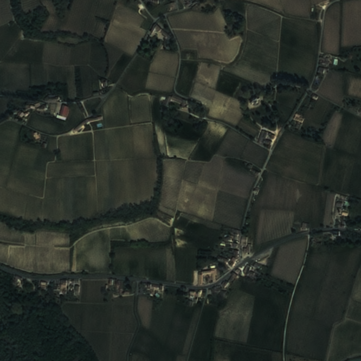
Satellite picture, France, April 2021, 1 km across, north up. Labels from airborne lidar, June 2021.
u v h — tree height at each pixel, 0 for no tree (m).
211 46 0
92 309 0
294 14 0
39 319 14
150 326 0
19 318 15
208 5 0
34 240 0
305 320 0
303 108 6
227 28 11
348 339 0
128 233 0
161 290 7
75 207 0
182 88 0
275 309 0
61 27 0
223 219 0
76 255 0
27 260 0
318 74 10
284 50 0
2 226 0
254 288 0
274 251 0
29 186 0
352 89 0
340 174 0
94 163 0
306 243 0
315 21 0
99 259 0
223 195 0
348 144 0
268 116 0
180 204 0
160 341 0
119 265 0
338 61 0
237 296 0
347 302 0
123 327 0
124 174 0
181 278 0
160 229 0
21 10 10
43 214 0
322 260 0
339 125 0
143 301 0
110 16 0
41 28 6
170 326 0
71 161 0
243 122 0
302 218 0
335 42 0
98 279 0
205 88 0
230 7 0
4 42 0
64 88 0
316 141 12
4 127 0
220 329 0
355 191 0
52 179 0
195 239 0
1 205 0
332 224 6
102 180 0
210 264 0
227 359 0
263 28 0
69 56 0
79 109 14
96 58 0
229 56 0
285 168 0
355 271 0
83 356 11
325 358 0
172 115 16
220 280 0
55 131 0
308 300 0
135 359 0
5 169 0
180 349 0
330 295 0
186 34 0
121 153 0
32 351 12
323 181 0
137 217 15
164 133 0
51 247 0
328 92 0
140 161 0
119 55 0
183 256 0
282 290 6
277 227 0
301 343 0
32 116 0
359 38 0
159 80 0
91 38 12
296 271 0
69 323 17
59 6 11
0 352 11
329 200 0
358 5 0
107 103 0
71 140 0
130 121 0
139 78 0
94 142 0
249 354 0
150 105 0
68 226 16
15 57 0
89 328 0
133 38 0
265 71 0
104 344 0
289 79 32
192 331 0
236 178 0
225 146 0
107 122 0
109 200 0
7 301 23
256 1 0
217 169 0
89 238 0
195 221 0
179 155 0
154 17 0
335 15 0
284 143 0
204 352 0
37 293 8
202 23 0
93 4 0
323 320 0
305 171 0
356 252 0
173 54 0
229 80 0
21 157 0
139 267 0
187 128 0
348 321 0
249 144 0
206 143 0
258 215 0
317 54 0
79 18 0
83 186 0
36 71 0
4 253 0
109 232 0
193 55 0
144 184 0
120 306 0
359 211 0
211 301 8
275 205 0
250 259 0
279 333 0
